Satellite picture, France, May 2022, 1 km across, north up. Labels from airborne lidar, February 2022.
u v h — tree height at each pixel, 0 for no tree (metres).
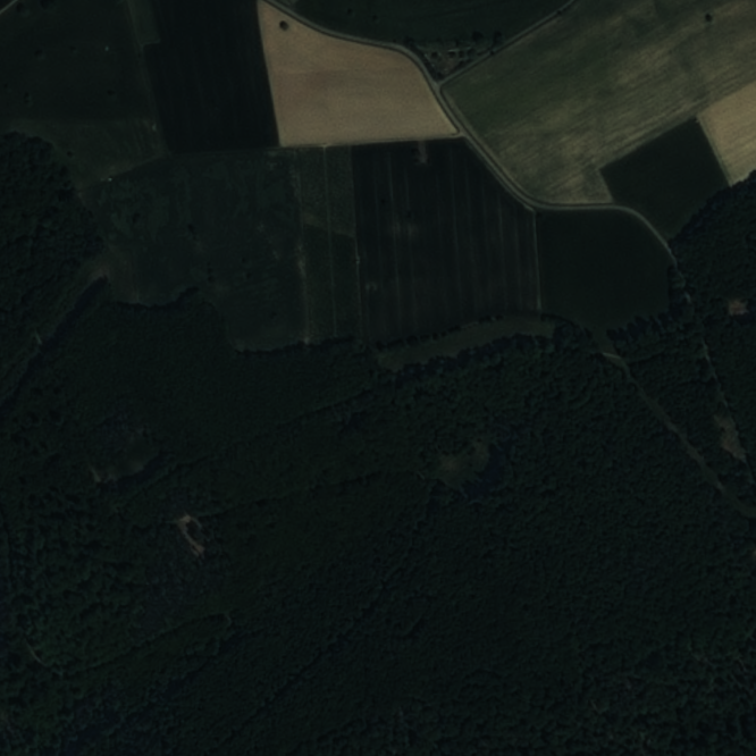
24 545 9
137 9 0
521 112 0
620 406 25
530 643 27
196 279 0
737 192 15
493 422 28
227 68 0
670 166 0
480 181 0
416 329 0
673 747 35
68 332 18
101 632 17
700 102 0
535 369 28
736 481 25
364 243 0
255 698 25
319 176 0
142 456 0
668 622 26
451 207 0
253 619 23
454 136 0
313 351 16
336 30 0
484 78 0
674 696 28
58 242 11
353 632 23
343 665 26
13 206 17
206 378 17
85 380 18
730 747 35
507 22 0
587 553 25
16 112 0
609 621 27
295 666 21
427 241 0
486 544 24
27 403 14
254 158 0
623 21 0
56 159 15
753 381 19
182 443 18
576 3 0
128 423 23
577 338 26
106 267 0
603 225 0
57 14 0
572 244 0
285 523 21
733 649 15
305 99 0
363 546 20
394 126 0
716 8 0
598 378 29
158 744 14
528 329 0
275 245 0
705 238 25
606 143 0
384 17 0
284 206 0
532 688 27
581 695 23
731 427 0
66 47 0
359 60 0
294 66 0
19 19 0
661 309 0
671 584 22
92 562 24
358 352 7
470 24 0
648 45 0
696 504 21
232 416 16
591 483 28
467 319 0
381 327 0
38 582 32
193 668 21
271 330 0
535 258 0
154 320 16
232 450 16
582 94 0
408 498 26
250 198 0
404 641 27
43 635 26
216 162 0
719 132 0
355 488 24
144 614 27
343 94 0
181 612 24
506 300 0
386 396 28
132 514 20
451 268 0
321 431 19
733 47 0
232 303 0
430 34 0
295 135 0
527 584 26
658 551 26
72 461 21
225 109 0
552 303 0
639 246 0
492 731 30
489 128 0
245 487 20
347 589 27
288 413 16
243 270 0
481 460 0
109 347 18
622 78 0
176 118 0
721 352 20
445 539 25
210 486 19
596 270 0
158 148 0
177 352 17
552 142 0
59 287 26
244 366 15
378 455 29
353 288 0
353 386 20
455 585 25
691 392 22
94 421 18
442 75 7
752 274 24
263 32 0
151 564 28
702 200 0
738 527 23
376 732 29
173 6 0
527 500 26
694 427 21
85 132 0
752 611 28
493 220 0
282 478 21
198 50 0
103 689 33
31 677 11
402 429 26
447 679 25
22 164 23
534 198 0
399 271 0
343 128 0
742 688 26
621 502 25
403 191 0
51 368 16
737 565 25
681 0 0
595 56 0
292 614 22
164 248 0
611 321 0
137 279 0
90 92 0
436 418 31
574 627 23
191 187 0
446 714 31
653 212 0
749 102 0
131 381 20
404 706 27
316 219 0
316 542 20
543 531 27
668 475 24
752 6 0
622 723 30
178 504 22
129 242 0
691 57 0
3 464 27
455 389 29
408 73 0
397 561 24
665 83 0
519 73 0
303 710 27
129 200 0
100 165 0
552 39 0
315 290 0
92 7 0
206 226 0
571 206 0
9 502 27
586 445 28
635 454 31
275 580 19
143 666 19
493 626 28
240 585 24
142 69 0
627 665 27
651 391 23
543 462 27
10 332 25
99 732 24
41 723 21
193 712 25
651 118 0
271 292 0
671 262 0
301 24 0
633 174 0
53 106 0
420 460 23
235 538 22
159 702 19
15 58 0
